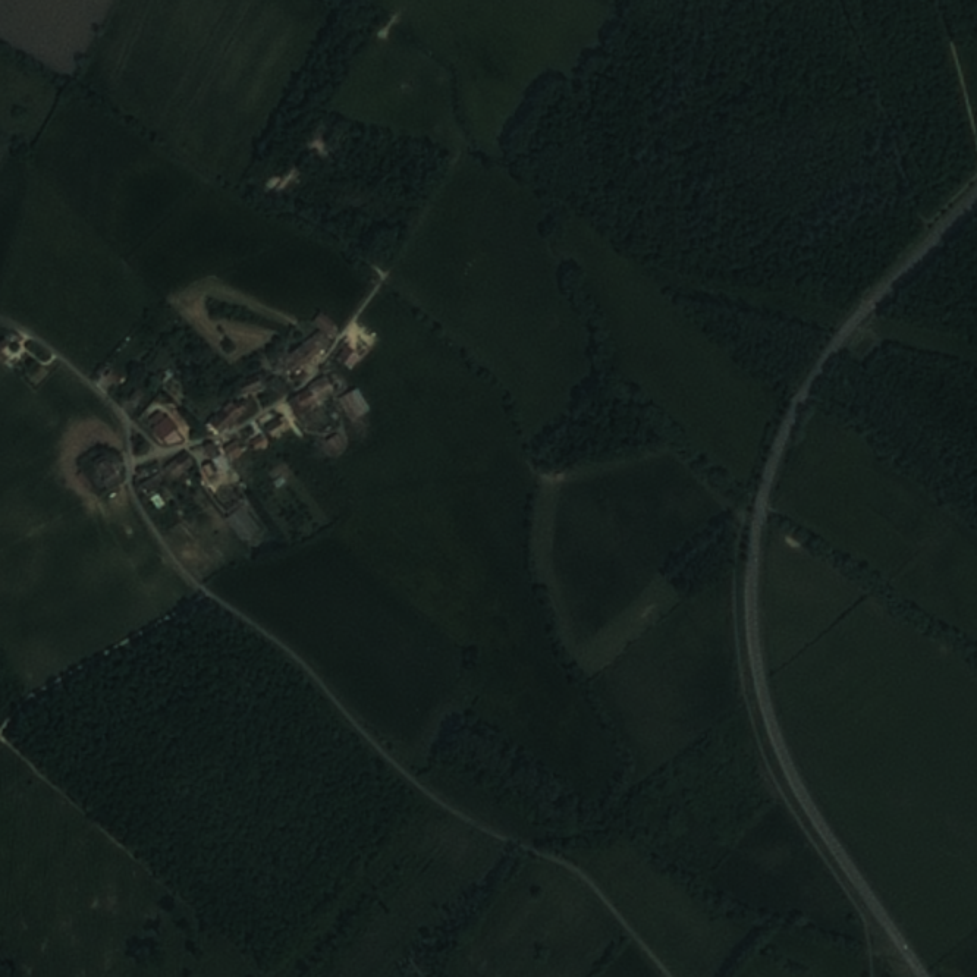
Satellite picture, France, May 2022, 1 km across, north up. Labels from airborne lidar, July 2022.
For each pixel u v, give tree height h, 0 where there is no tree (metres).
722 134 13
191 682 20
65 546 0
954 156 16
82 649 0
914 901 0
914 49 18
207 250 0
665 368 0
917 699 0
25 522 0
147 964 27
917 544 0
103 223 0
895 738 0
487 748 34
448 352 0
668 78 20
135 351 0
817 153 13
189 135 0
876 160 27
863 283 19
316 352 0
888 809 0
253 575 0
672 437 24
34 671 0
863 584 21
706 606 0
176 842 23
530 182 18
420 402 0
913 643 0
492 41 0
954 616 0
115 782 22
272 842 23
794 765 0
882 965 0
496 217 0
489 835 0
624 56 19
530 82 0
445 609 0
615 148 21
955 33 20
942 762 0
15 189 0
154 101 0
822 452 0
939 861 0
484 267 0
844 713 0
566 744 0
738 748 6
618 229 17
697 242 24
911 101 22
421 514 0
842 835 0
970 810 0
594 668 0
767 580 0
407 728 0
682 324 0
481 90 0
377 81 0
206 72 0
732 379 0
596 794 0
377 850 22
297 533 6
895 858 0
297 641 0
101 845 0
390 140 19
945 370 12
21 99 0
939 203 16
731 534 20
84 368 0
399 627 0
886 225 19
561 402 0
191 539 0
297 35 0
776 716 0
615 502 0
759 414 0
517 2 0
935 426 17
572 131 17
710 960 0
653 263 16
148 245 0
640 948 0
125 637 0
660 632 0
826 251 23
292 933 24
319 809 24
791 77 23
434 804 0
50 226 0
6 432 0
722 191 20
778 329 29
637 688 0
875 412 31
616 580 0
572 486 0
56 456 0
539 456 19
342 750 21
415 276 0
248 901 24
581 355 0
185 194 0
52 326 0
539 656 0
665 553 0
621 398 24
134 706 20
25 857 0
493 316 0
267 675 19
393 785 14
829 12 18
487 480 0
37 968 0
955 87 17
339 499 0
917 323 17
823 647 0
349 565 0
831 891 0
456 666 0
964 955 0
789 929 15
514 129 21
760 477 8
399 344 0
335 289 0
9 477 0
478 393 0
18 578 0
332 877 24
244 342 0
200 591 0
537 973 0
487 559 0
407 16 0
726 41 22
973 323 20
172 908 24
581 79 16
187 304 0
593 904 0
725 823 9
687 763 8
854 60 17
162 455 0
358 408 0
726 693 0
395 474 0
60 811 0
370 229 7
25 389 0
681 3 15
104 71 0
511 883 9
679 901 0
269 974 22
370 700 0
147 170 0
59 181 0
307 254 0
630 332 0
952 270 22
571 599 0
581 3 0
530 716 0
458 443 0
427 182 24
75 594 0
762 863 0
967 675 0
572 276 24
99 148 0
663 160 32
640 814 12
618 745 16
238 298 0
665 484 0
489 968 0
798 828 0
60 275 0
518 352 0
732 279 17
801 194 18
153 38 0
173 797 23
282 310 0
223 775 17
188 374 14
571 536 0
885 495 0
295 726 23
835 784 0
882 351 9
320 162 26
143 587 0
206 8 0
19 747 21
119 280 0
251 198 16
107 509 0
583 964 0
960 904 0
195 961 22
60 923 0
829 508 0
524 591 0
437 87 0
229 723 23
